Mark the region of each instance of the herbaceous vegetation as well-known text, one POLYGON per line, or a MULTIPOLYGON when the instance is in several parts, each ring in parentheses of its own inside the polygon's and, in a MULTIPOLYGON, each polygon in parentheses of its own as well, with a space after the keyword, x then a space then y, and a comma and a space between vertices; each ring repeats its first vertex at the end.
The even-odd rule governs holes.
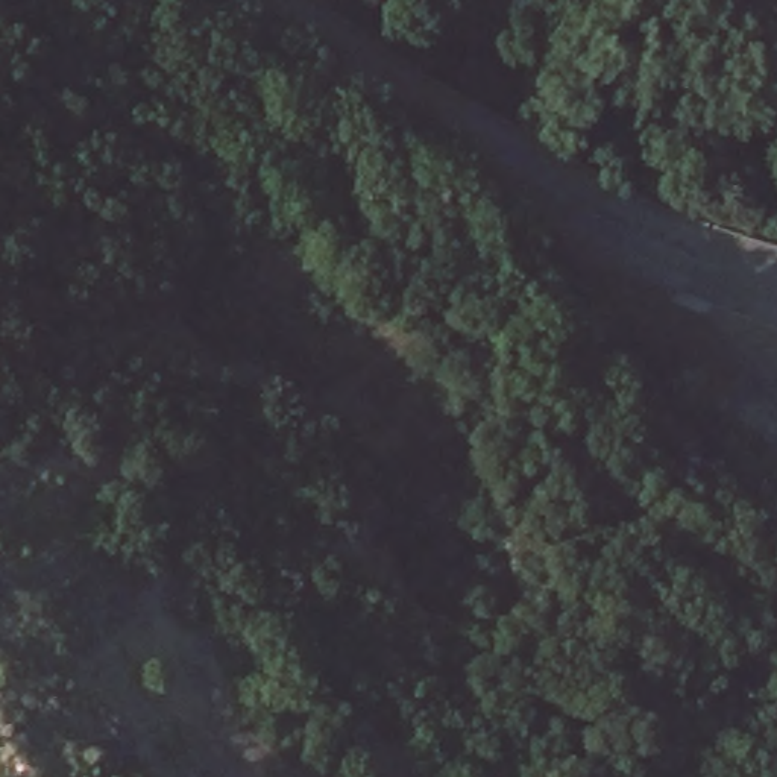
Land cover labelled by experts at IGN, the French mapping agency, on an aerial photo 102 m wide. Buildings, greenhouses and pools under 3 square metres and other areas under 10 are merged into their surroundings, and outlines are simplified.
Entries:
POLYGON ((410 486, 422 486, 422 480, 431 470, 437 470, 464 443, 464 437, 452 425, 452 413, 446 413, 443 407, 446 389, 434 379, 413 376, 410 367, 398 358, 389 337, 379 337, 370 325, 352 322, 349 316, 343 322, 322 322, 313 313, 310 294, 319 285, 297 258, 300 240, 285 231, 282 237, 264 234, 255 246, 255 258, 240 264, 240 276, 249 282, 243 294, 243 310, 261 316, 264 343, 270 355, 267 367, 273 373, 288 373, 310 382, 316 389, 319 410, 340 416, 340 428, 334 431, 331 443, 334 461, 340 464, 340 477, 349 489, 346 513, 352 522, 358 522, 361 531, 376 528, 385 519, 392 519, 395 504, 404 498, 404 492, 410 486))
POLYGON ((258 762, 249 762, 243 756, 246 747, 255 741, 255 728, 243 716, 243 677, 234 671, 228 640, 215 631, 209 592, 188 583, 191 571, 185 562, 161 565, 158 574, 146 574, 121 555, 109 555, 91 546, 94 531, 88 528, 88 507, 97 501, 103 483, 82 458, 73 455, 67 434, 55 446, 42 446, 33 440, 27 461, 21 467, 9 461, 9 455, 0 455, 0 616, 12 616, 18 610, 18 589, 46 595, 42 616, 52 619, 67 640, 64 677, 73 680, 73 689, 64 689, 58 683, 55 698, 64 707, 73 707, 73 713, 100 716, 103 722, 109 722, 109 716, 118 716, 121 722, 118 735, 109 738, 109 744, 100 750, 97 762, 100 771, 109 777, 322 777, 288 750, 267 750, 258 762), (164 692, 149 692, 143 686, 143 665, 149 659, 158 659, 164 668, 164 692))

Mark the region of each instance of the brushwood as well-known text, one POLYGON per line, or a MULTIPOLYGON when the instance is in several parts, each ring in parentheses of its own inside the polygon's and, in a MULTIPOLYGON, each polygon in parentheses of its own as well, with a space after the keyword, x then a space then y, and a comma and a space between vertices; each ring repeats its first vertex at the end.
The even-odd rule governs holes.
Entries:
POLYGON ((18 589, 18 610, 12 616, 0 616, 0 777, 73 777, 64 759, 64 744, 100 750, 109 744, 109 738, 118 735, 121 722, 118 716, 109 716, 109 722, 103 722, 100 716, 73 713, 73 707, 64 707, 55 698, 58 683, 64 689, 73 689, 73 680, 64 677, 67 640, 52 619, 42 616, 46 595, 18 589))

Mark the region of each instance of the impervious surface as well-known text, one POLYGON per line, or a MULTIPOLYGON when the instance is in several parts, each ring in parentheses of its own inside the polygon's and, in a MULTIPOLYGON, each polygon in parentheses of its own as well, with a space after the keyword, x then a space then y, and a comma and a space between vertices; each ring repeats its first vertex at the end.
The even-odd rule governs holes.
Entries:
POLYGON ((692 310, 719 337, 719 343, 731 349, 731 364, 722 364, 719 370, 731 419, 753 431, 759 440, 771 446, 777 443, 777 243, 771 249, 744 249, 738 237, 704 225, 701 219, 689 219, 686 212, 674 222, 674 228, 640 228, 631 215, 625 215, 625 197, 619 197, 610 188, 601 188, 595 164, 580 161, 577 155, 558 158, 537 140, 537 131, 528 121, 522 121, 522 115, 507 103, 507 94, 489 94, 489 76, 477 58, 437 58, 425 64, 416 46, 382 36, 382 15, 364 0, 285 0, 310 15, 310 24, 319 27, 325 46, 349 73, 385 79, 401 94, 401 100, 416 97, 419 112, 431 115, 440 124, 440 131, 449 131, 449 137, 470 143, 477 155, 495 146, 501 164, 507 167, 507 176, 513 176, 519 167, 528 167, 534 173, 534 185, 525 191, 525 197, 543 203, 543 222, 568 240, 568 249, 580 261, 586 261, 592 282, 604 285, 604 264, 610 258, 622 258, 631 267, 631 276, 643 276, 653 288, 659 288, 659 297, 671 310, 692 310))

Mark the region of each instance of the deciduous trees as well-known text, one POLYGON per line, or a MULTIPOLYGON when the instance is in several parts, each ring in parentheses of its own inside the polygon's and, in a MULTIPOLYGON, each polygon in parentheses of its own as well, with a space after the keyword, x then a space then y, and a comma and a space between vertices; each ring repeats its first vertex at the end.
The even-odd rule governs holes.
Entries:
POLYGON ((158 659, 149 659, 143 665, 143 686, 149 692, 164 692, 164 668, 158 659))
POLYGON ((437 58, 477 58, 489 76, 489 94, 507 94, 507 103, 522 115, 522 121, 528 121, 537 131, 537 140, 558 158, 577 155, 580 161, 595 164, 601 188, 610 188, 619 197, 625 197, 625 215, 631 215, 640 228, 674 228, 674 222, 686 212, 689 219, 701 219, 704 225, 738 237, 744 249, 771 249, 777 243, 777 0, 364 0, 382 15, 382 36, 416 46, 425 64, 437 58))
POLYGON ((528 167, 519 167, 513 176, 507 176, 507 167, 501 164, 495 146, 477 155, 470 143, 449 137, 449 131, 440 131, 440 124, 431 115, 419 112, 416 97, 401 100, 401 94, 385 79, 349 73, 325 46, 319 27, 310 24, 310 15, 285 0, 0 0, 0 455, 9 455, 9 461, 21 467, 27 461, 33 440, 42 446, 55 446, 67 434, 73 455, 82 458, 103 483, 97 501, 88 507, 88 528, 94 531, 91 546, 109 555, 121 555, 146 574, 158 574, 161 565, 185 562, 191 571, 188 583, 209 592, 215 631, 228 640, 234 671, 243 677, 243 716, 255 728, 255 741, 246 747, 243 756, 249 762, 258 762, 267 750, 288 750, 322 777, 777 777, 777 443, 771 446, 759 440, 753 431, 731 419, 719 370, 722 364, 731 364, 731 349, 719 343, 719 337, 692 310, 671 310, 659 297, 659 288, 653 288, 643 276, 631 276, 631 267, 622 258, 610 258, 604 264, 604 285, 592 282, 586 261, 580 261, 568 249, 568 240, 543 222, 543 203, 525 197, 525 191, 534 185, 534 173, 528 167), (349 489, 340 477, 340 464, 334 461, 331 443, 334 431, 340 428, 340 416, 319 410, 316 389, 310 382, 288 373, 273 373, 267 367, 270 355, 264 343, 261 316, 243 310, 243 294, 249 282, 240 276, 240 264, 255 258, 255 246, 264 234, 282 237, 285 231, 300 240, 297 258, 319 285, 310 294, 313 313, 322 322, 343 322, 349 316, 352 322, 370 325, 379 337, 389 337, 398 358, 410 367, 413 376, 434 379, 446 389, 443 407, 446 413, 452 413, 452 425, 464 437, 464 443, 437 470, 431 470, 422 480, 422 486, 410 486, 404 492, 404 498, 395 504, 392 519, 385 519, 376 528, 361 531, 358 522, 352 522, 346 513, 349 489))
POLYGON ((109 777, 100 771, 97 762, 100 750, 64 744, 64 759, 73 777, 109 777))

